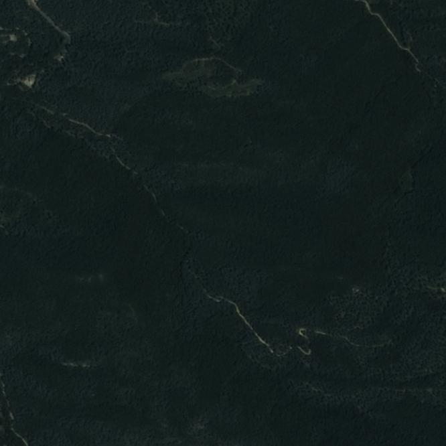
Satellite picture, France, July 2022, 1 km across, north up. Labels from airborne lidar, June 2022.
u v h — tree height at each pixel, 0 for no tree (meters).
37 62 6
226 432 9
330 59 9
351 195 11
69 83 20
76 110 13
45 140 10
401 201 11
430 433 10
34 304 11
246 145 6
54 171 12
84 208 9
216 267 7
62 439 9
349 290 7
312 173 6
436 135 16
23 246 10
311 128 7
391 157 9
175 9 20
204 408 9
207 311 17
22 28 7
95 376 8
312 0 10
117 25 15
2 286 12
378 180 12
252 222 10
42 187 6
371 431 10
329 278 7
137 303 9
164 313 9
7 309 9
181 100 8
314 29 11
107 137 8
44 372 7
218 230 9
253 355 17
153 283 13
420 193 10
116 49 14
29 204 9
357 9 10
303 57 10
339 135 12
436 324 19
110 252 8
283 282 10
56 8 17
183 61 10
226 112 8
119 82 8
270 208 14
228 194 13
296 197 11
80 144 7
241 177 6
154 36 17
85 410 9
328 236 10
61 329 9
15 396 8
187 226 10
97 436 10
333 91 11
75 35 13
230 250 8
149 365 9
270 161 8
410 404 12
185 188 21
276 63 12
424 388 10
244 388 13
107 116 13
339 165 11
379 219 11
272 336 10
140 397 8
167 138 8
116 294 6
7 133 10
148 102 7
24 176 10
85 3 13
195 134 7
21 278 9
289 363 13
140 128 8
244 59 9
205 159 7
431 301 9
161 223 19
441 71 6
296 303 8
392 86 10
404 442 9
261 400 8
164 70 8
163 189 17
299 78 12
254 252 11
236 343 13
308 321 13
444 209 15
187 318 8
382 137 9
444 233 9
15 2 10
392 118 10
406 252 10
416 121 9
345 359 9
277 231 10
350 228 12
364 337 15
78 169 13
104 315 7
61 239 9
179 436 7
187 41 12
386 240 16
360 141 8
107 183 11
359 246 10
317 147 7
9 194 9
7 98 10
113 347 7
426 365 12
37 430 8
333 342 15
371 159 11
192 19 11
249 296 17
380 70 7
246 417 10
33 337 13
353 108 8
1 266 10
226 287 8
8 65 11
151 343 9
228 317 10
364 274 11
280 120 8
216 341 14
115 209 14
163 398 7
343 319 9
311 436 15
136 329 9
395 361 11
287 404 11
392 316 10
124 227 15
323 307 9
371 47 6
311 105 11
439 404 15
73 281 6
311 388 14
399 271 18
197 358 14
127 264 12
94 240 11
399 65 8
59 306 9
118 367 9
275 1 13
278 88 10
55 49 12
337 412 12
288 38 10
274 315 9
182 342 12
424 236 7
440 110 7
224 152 8
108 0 15
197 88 14
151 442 9
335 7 8
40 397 7
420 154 11
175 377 9
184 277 23
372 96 10
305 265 10
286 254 10
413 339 12
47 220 9
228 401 15
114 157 9
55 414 7
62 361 8
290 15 9
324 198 13
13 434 16
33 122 17
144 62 9
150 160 7
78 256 9
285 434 13
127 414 8
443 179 8
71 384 9
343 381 11
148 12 10
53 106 15
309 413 14
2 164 11
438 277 6
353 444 10
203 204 11
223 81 8
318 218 12
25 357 10
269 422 14
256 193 9
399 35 14
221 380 12
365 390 6
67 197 10
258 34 12
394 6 9
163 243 16
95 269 7
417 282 13
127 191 11
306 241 7
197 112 7
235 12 9
